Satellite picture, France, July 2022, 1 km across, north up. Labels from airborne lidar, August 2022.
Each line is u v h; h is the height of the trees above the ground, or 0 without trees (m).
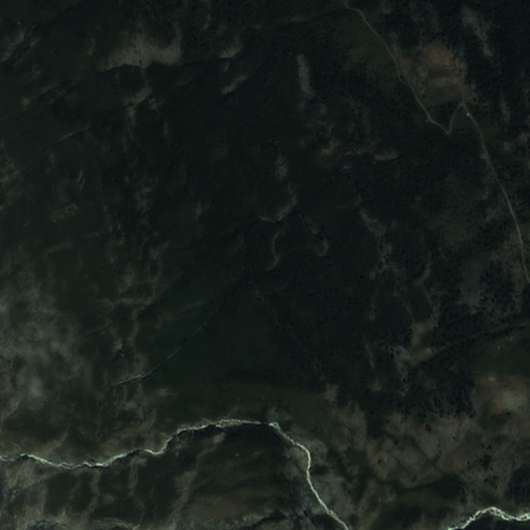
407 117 8
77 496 0
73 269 0
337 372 9
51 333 0
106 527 0
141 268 0
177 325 0
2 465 0
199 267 0
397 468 0
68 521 0
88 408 0
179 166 10
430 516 0
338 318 10
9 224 0
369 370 9
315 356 9
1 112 0
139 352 0
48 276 0
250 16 10
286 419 0
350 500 10
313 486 0
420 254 6
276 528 0
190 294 0
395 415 0
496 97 11
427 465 0
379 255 12
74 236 0
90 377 0
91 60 0
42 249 0
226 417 10
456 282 8
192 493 0
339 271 6
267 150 11
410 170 7
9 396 0
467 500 17
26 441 0
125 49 0
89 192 0
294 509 7
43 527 0
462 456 0
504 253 7
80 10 0
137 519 0
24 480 0
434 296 7
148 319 0
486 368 0
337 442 0
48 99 0
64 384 0
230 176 0
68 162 0
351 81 11
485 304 6
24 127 0
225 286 0
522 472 9
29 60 0
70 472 0
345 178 8
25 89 0
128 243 0
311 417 0
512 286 13
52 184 0
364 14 0
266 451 0
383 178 8
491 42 8
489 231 11
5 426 0
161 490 0
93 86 0
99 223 0
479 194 0
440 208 6
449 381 6
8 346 0
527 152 15
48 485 0
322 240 17
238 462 0
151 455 0
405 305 8
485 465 10
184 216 0
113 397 0
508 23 8
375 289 9
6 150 0
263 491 0
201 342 0
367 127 7
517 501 10
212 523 0
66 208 0
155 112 8
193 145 0
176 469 0
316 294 6
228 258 0
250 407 0
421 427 0
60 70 0
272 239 8
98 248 0
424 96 7
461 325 7
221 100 6
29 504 0
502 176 10
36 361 0
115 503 0
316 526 12
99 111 0
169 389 0
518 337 0
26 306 0
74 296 0
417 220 6
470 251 6
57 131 0
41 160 0
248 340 0
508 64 10
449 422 0
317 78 8
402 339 6
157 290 0
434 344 11
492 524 7
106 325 0
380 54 0
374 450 0
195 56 11
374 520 0
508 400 0
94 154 0
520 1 10
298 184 6
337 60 6
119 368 0
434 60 0
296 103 9
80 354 0
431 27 6
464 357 8
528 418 0
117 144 0
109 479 0
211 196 6
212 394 0
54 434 0
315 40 7
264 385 0
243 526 0
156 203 0
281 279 6
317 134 6
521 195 9
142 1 11
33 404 0
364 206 6
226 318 0
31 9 0
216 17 10
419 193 8
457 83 0
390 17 9
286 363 0
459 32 8
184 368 0
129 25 0
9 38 0
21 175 0
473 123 0
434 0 8
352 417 0
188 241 0
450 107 10
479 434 0
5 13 0
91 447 0
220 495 0
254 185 12
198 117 0
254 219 6
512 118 8
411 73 0
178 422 0
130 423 0
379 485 0
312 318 0
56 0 0
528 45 9
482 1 8
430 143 6
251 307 0
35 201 0
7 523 0
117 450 0
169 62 0
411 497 0
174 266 0
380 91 6
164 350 0
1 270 0
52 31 0
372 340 7
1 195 0
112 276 0
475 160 6
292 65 0
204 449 0
